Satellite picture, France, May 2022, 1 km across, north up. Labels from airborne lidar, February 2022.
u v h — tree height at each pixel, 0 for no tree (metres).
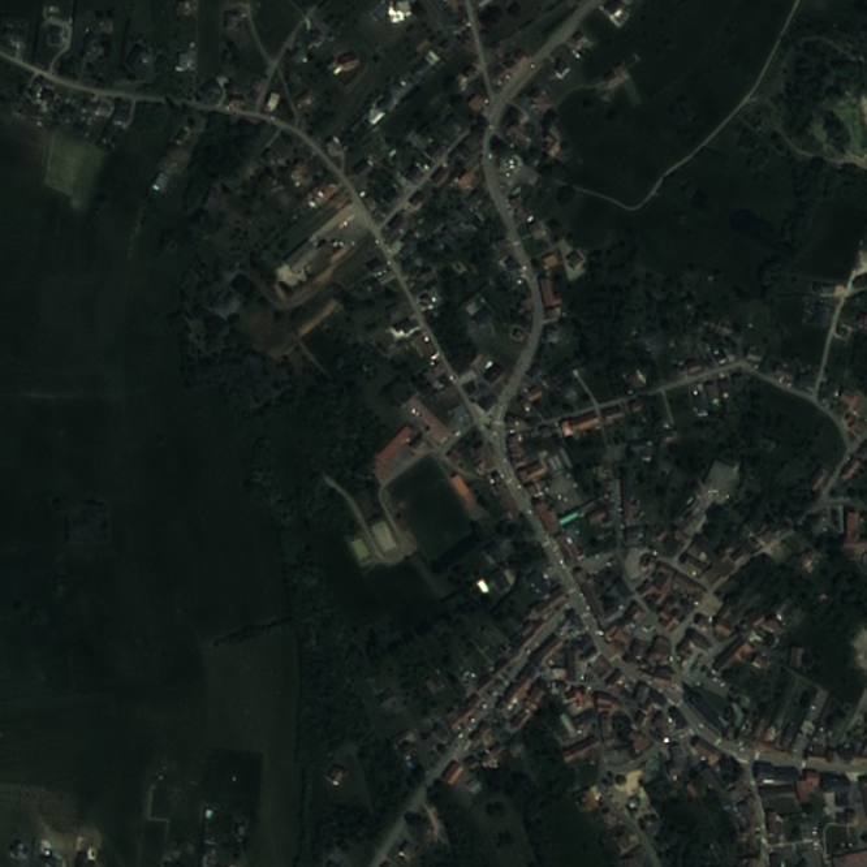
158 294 0
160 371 0
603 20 0
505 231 8
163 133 0
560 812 0
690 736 0
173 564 0
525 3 0
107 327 0
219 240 0
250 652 0
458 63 0
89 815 0
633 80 0
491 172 0
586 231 0
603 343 9
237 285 14
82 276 0
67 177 0
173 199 0
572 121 0
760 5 0
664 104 0
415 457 0
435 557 0
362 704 13
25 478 0
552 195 0
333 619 9
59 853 0
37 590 0
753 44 0
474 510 0
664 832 8
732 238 0
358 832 8
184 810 0
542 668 0
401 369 9
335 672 8
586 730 0
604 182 0
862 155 0
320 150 0
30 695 0
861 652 0
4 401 0
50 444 0
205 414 0
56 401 0
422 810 0
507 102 0
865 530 0
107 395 0
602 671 0
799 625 0
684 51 0
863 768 0
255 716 0
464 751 0
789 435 0
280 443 0
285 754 0
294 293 20
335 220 0
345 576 0
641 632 0
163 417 0
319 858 8
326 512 5
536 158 11
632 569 0
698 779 17
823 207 0
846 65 17
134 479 0
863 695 0
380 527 0
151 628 0
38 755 0
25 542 0
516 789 15
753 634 0
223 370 19
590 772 0
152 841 0
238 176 9
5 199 0
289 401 13
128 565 0
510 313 8
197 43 0
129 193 0
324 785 0
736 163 0
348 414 6
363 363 8
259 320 0
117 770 0
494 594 0
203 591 0
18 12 0
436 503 0
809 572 0
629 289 9
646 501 0
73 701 0
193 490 0
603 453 0
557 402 7
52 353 0
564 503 0
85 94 0
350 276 0
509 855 0
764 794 0
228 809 0
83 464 0
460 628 12
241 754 0
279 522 7
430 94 0
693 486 8
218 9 0
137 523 0
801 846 0
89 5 0
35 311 0
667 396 0
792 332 0
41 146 0
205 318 8
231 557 0
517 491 0
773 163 0
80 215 0
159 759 0
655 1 0
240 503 0
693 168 0
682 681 0
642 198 0
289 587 6
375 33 0
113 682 0
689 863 23
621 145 0
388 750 7
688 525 0
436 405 0
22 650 0
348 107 0
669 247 0
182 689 0
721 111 0
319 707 11
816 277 0
